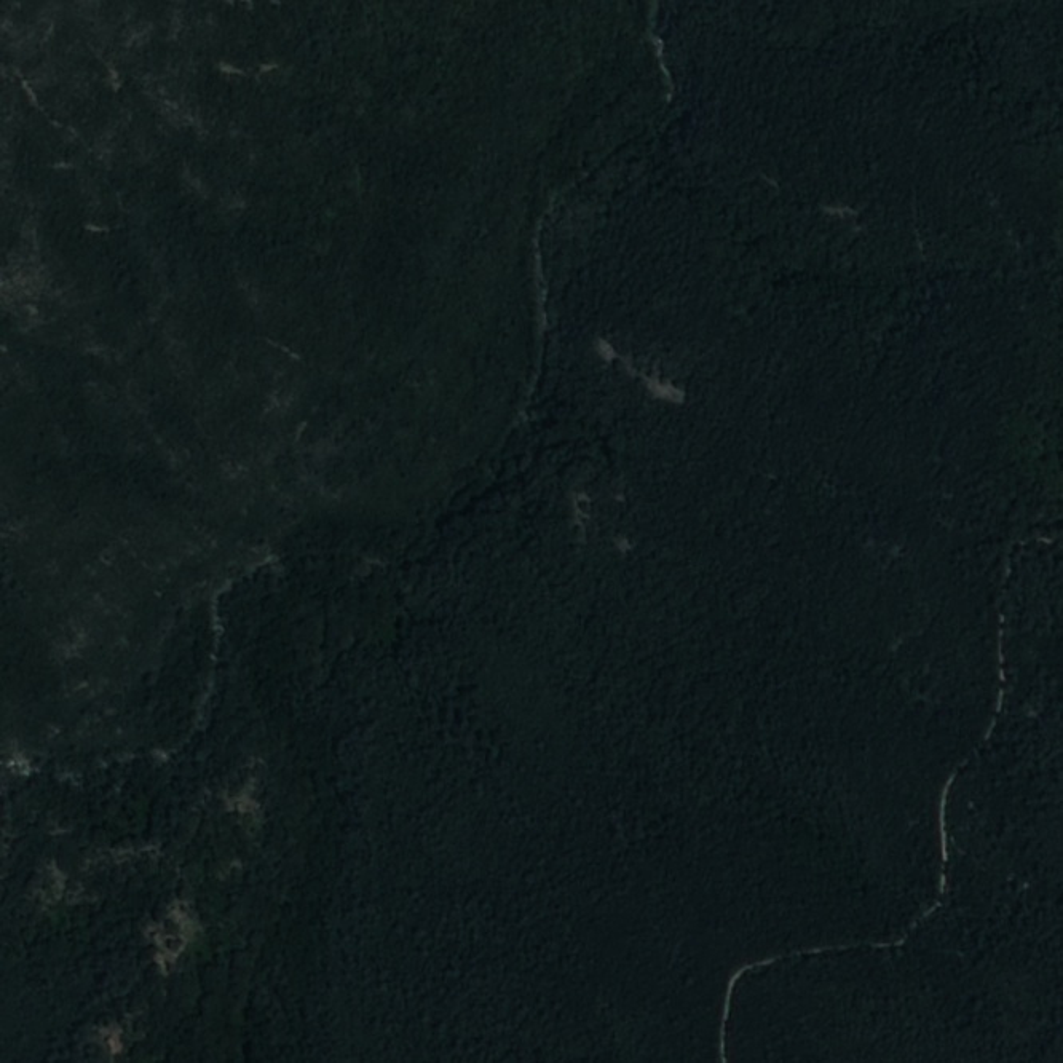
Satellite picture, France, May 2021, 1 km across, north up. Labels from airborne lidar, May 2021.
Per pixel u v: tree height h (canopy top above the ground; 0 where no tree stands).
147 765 15
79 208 6
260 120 6
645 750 8
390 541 13
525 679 6
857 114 10
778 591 13
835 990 14
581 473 14
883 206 8
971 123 11
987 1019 7
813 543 10
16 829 8
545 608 6
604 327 9
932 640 7
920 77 15
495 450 14
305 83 10
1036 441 19
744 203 8
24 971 10
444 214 5
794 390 10
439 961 11
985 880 6
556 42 9
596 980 8
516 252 6
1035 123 21
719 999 8
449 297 10
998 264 10
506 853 7
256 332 9
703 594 11
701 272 6
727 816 13
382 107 11
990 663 8
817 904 11
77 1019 6
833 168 10
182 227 13
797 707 8
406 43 12
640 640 11
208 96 5
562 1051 9
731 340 13
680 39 7
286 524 9
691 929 7
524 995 13
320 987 9
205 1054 11
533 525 14
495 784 8
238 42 7
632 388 7
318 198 11
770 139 9
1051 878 17
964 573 14
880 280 8
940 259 10
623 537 6
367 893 8
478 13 12
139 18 7
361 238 8
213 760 12
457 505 16
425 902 8
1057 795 16
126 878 8
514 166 7
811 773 10
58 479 9
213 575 8
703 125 9
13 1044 5
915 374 12
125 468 15
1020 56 8
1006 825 14
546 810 9
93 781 12
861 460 8
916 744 9
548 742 8
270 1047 11
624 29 14
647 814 16
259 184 8
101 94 7
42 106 8
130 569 6
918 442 7
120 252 7
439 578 15
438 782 15
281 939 12
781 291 21
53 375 8
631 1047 5
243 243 10
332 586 19
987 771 10
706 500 11
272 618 16
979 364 12
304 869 12
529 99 6
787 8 12
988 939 11
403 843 10
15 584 14
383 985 17
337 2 10
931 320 9
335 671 13
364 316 12
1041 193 14
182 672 18
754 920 16
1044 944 9
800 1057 7
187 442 9
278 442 6
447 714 19
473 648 7
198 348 7
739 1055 6
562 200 11
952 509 7
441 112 8
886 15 15
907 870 7
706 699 13
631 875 13
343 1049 7
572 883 11
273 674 16
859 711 7
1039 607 20
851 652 9
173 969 11
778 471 8
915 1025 11
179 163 6
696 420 13
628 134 12
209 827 12
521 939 12
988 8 10
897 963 13
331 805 17
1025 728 10
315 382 6
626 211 12
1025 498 14
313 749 18
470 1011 11
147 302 9
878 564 7
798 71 12
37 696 11
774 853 12
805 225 9
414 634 17
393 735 6
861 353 8
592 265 11
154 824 12
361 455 9
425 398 5
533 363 10
